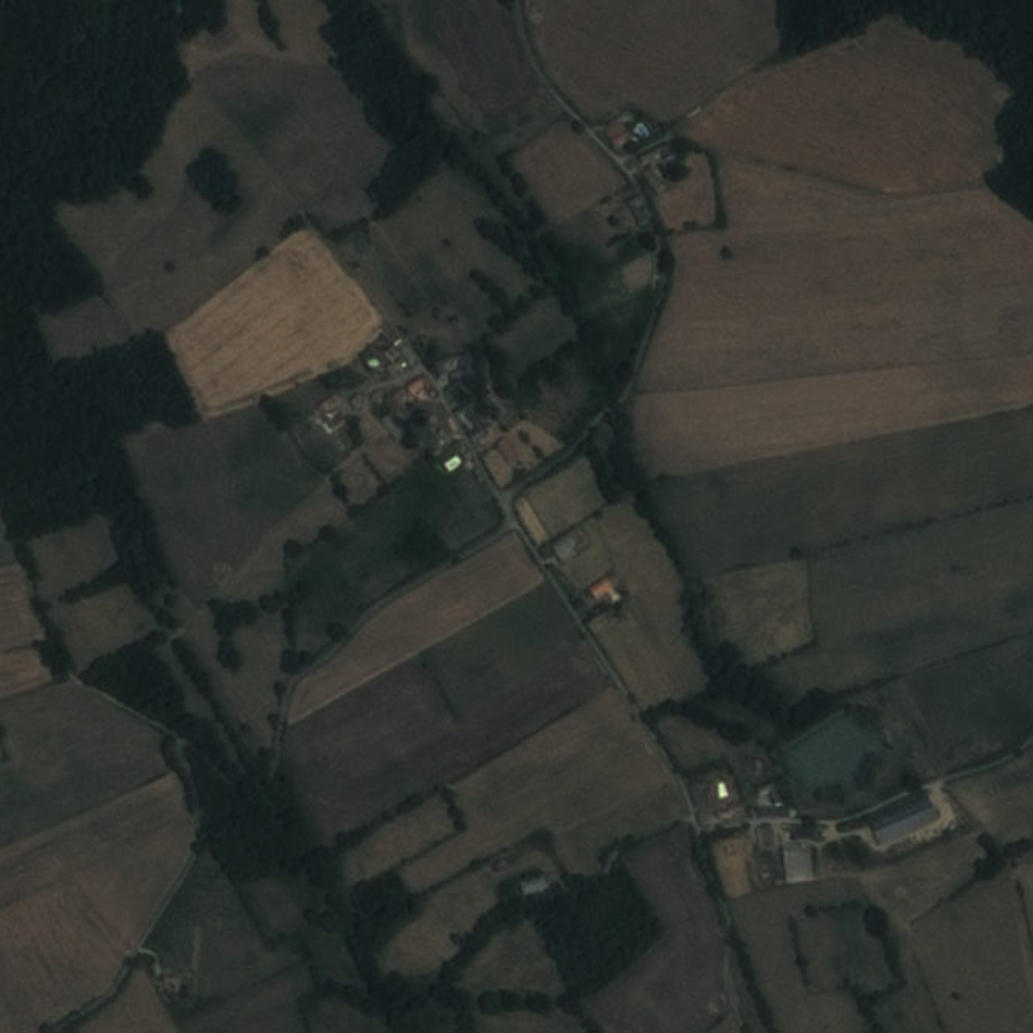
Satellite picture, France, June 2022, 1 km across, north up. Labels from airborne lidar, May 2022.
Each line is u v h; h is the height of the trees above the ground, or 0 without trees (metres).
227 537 0
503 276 0
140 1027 0
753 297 0
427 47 0
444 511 0
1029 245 0
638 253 0
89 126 28
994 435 0
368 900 8
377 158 0
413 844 0
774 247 0
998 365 0
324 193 0
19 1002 0
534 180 0
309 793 0
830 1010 0
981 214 0
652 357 0
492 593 0
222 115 0
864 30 14
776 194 0
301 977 0
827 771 0
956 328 0
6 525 11
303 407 0
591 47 0
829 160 0
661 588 0
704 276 0
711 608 0
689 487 0
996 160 0
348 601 0
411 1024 6
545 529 0
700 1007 0
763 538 0
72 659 11
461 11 0
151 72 20
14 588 0
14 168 20
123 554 18
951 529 0
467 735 0
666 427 0
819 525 0
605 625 0
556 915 15
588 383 0
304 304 0
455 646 0
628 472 31
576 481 0
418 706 0
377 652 0
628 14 0
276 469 0
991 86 0
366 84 23
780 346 0
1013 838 0
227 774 20
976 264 0
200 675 18
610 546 0
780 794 7
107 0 0
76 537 0
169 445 0
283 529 0
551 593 0
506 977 0
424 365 7
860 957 0
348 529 0
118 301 0
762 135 0
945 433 0
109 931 0
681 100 0
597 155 0
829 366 0
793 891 0
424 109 24
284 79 0
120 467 22
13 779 0
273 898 0
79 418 24
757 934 0
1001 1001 0
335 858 6
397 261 0
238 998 0
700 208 0
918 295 0
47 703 0
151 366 14
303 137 0
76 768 0
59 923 0
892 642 0
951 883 0
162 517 0
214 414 0
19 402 19
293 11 0
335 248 0
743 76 0
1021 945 0
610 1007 0
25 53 17
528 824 0
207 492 0
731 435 0
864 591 0
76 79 28
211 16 12
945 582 0
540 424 0
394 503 0
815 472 0
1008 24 26
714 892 12
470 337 0
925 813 0
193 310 0
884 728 0
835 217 0
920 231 0
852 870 0
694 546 0
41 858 0
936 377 0
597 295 0
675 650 0
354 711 0
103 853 0
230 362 0
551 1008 14
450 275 0
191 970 0
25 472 6
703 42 0
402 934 0
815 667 0
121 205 0
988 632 0
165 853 0
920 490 0
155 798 0
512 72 0
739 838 0
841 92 0
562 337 0
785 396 0
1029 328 0
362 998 20
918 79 0
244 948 0
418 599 0
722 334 0
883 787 0
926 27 16
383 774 0
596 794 0
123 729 0
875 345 0
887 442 0
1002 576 0
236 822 18
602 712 0
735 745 12
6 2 19
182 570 0
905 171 0
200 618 0
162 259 0
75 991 0
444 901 0
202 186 13
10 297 17
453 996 20
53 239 19
